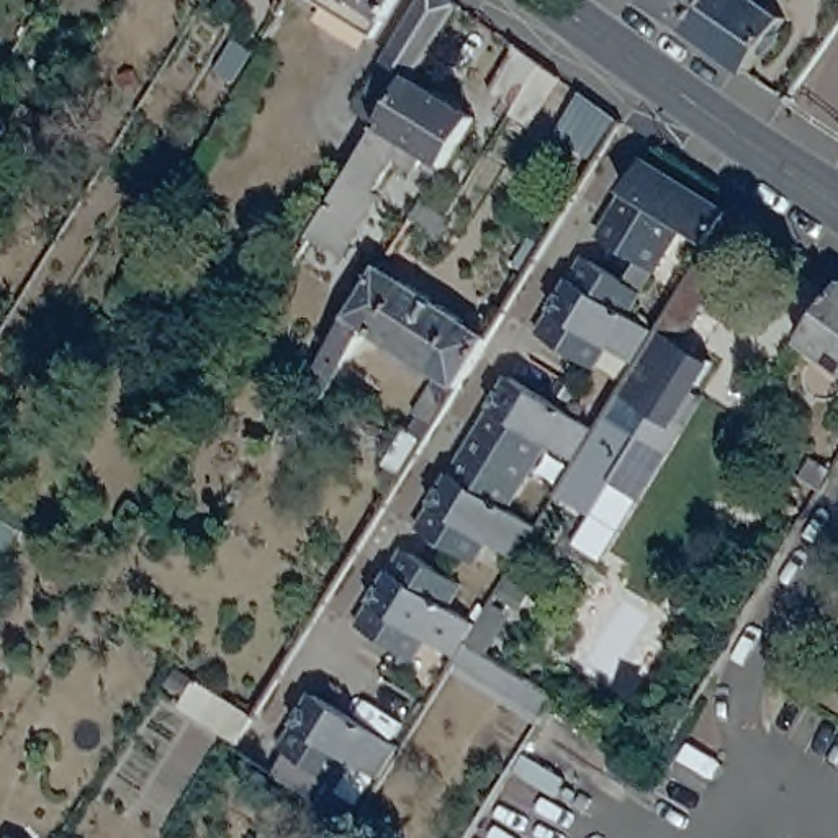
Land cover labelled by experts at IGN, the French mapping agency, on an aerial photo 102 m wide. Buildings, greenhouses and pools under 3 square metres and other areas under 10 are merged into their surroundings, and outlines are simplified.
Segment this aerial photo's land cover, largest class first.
<instances>
[{"label":"deciduous trees","instance_id":"1","mask_svg":"<svg viewBox=\"0 0 838 838\"><path fill-rule=\"evenodd\" d=\"M29 10L26 0H0V43L16 39V29L23 26V16ZM124 0H59V10L65 16H59V23L49 29V36L56 39L52 59L46 65L26 62L0 69V105L33 98L43 108L59 111L65 98L92 95L101 79L95 46L101 43V26L118 20ZM196 13L210 10L213 26L229 23L226 46L239 43L246 52L255 49L259 56H268L275 49V39L255 33L252 7L246 0H193ZM517 7L550 23H566L583 3V0H514ZM462 52L455 46L432 43L426 62L419 65L432 79L452 75ZM210 115V105H200L193 115L180 118L164 115V124H154L144 108L128 111L121 124L108 134V154H88L85 141L72 134L52 137V151L46 154L33 151L23 141L0 144V255L10 249L16 216L26 206H39V213L46 216L39 219V236L56 239L65 216L85 200L92 173L105 180L115 177L118 167L141 160V154L160 137H170L177 147H190ZM579 177L576 170L560 164L556 147L543 144L527 157V164L511 167L507 183H498L491 190V219H484L481 226V242L468 255V268H481L488 255L501 259V252H511L524 239L540 242L553 226L556 213L566 206L570 193L576 190ZM321 177L308 183L298 196H291L282 213H265L255 226L236 223L232 232L219 229V223H226V196L213 193L210 173L193 164V157L180 160L167 180H160L151 193H141L137 203L128 206L134 213V252L124 262L121 282L108 288L105 301L98 304L101 311H95L98 340L85 344L82 350L65 344L49 360L46 386H0V527H20L23 534L29 540V556L43 573L52 576V586L59 589L33 596V615L20 625V645L7 648L13 658H29V638L36 635V629H56L59 612L65 606L82 612L98 596L105 566L115 553L141 547L151 560H164L167 553H187L193 573L213 563L216 543L226 540V520H203L206 501L203 491H193L190 462L196 458L200 445H206L226 426L242 383H255L265 435H282V458L268 491V504L272 511H288L308 530V540H301V547L318 560L331 563L344 543L337 537L334 520L321 514V491L327 484H344L347 491H360V448L354 429H373L376 448L386 452L393 448V439L403 432V429L383 416L390 406L383 403L380 390H370V396H334L331 390L311 380L295 373L288 363H275L268 357V347L278 334H288L298 344H311L314 334L318 324L298 318L291 331H285L278 321L288 308V295L298 278L295 268L301 236L308 223L318 216V210L327 203V193L340 180V170L334 160L321 154L311 164ZM108 370L121 373L118 442L141 475L137 488L121 494H108L105 484L95 478L92 465L85 462L95 448V432L101 426ZM465 193L458 187L455 170L448 167L435 173H419L416 193H409L399 206H383L380 242L386 249L390 242H396L399 223L406 219L416 206H429L439 213L442 232L435 239L422 226H409V249L422 252L432 262H442L452 242L468 232L471 213L458 210V200ZM701 272H720V285L714 291H704V304L697 314L717 318L733 334V344H756L759 334L776 318H786L789 304L795 301L799 282L776 268L766 239L750 242L746 232H740L717 246L701 252L697 265ZM799 367V360L792 347H776V354L766 357V363H753L740 373L733 370L730 383L743 396L740 403L753 412V426L743 429L740 445L730 455H720V481L723 498L753 511L756 520L766 524V534L753 537L750 547H737L727 534L694 527L678 530L671 540L681 543L687 560L681 563L678 576L658 573L665 602L668 619L684 615L687 622L684 632L671 642L661 638V648L645 674L648 691L622 697L609 707H592L589 691L602 674H586L576 665V645L583 638L579 606L586 599V589L583 573L573 566V556L566 550H556L553 540L543 537L534 550H507V556H498V563L494 573L504 579V586L517 589L520 596H530V609H524L517 622L504 629V642L498 648L504 655L501 668L543 691L553 714H560L563 720L576 727V740L583 746L592 740L602 746L609 773L619 782L642 789H655L665 779L668 763L691 743L701 714L707 710L704 704H691L687 697L697 691L710 661L730 648V635L743 602L763 579L782 537L795 527L786 514V494H792L802 465V455H815L809 406L799 390L789 386V373ZM802 586H812V596L818 602L809 609V619L802 625L773 635L769 661L756 678V687L763 694L766 687H769V691H779V694H782V704H786V707H795L802 717H809L818 704H828L838 714V540L809 553V566L795 576ZM23 583L16 547H0V609L16 606ZM318 579L301 576V583L291 586L275 583L272 599L278 625L301 629L314 615L321 599L314 596ZM92 622L98 638L72 632L65 645H59L49 658V665L65 678L75 651L105 661L111 645L131 642L134 648H151L154 655L157 648H164V655L183 668H200L210 658L206 651L187 655L190 645H196V612L177 606L157 583L147 596L134 592L128 599L124 615L95 609ZM255 629L252 615L239 612V602H219L216 635L226 648L219 658L226 665L232 651H239L252 638ZM383 687L403 697H419L426 694V687L419 684L412 665L393 661V668L383 678ZM501 769L498 763H465L462 782H455L445 792L442 805L432 812L429 828L435 838H462L465 825L484 802L481 789H494ZM239 802L252 809L285 805L291 789L275 779V769L236 773Z\"/></svg>","mask_w":838,"mask_h":838},{"label":"herbaceous vegetation","instance_id":"2","mask_svg":"<svg viewBox=\"0 0 838 838\"><path fill-rule=\"evenodd\" d=\"M229 23L213 26L210 10L196 13L193 0H124L118 20L101 26V43L95 46L101 79L92 95L65 98L59 111L43 108L33 98L0 105V144L23 141L33 151L46 154L52 151V137L72 134L85 141L88 154H108V134L121 124L128 111L144 108L154 124H164V115L180 118L193 115L200 105H210V115L190 147H177L170 137H160L141 154V160L118 167L115 177L105 180L92 173L85 200L65 216L56 239L39 236V219L46 216L39 213V206H26L16 216L10 249L0 255V386H46L49 360L65 344L82 350L85 344L98 340L95 311H101L98 304L105 301L108 288L121 282L124 262L134 252V213L128 206L137 203L141 193H151L160 180H167L180 160L193 157L200 144L210 137L213 124L223 118L226 105L232 101L236 82L213 75V62L223 56L226 46ZM252 7L255 33L275 39V49L282 56V69L275 75V85L265 92V111L252 118L246 151L239 157H216L210 173L213 193L226 196V223H219V229L232 232L236 223L255 226L265 213H282L291 196H298L308 183L321 177L311 164L321 154V147L301 128L298 101L308 92H314V85L331 82V75L340 72V62L357 46L337 43L327 33H321L314 26L318 13L314 7H298L295 0H246ZM406 82H416L419 88L448 101L465 118L471 105L462 95L458 79L452 75L432 79L419 65L409 72ZM543 144L556 147L560 164L576 170L579 177L586 173L592 157H573V144L566 134H560V124L547 111H540L524 131L514 134L504 157L484 154L475 167H465L462 154L455 151L448 157V167L455 170L458 187L465 193L458 200V210L471 213L468 232L452 242L442 262H432L422 252L409 249V226L406 219L399 223L396 242H390L386 249L380 268L416 288L426 301L455 314L468 301L484 304L504 282L507 268L520 272L530 265L540 242L524 239L511 252H501V259L488 255L481 268H468V255L481 242V226L484 219H491V190L498 183H507L511 167L527 164V157ZM298 278L288 295V308L278 321L285 331H291L298 318L318 324L331 298V288L324 285L321 272H314V265L295 268ZM327 340L314 334L311 344H298L288 334H278L268 347V357L275 363H288L295 373L311 380L314 360ZM419 386V376L409 373L386 350H380L373 340L354 363L344 367L331 390L334 396H370V390H380L383 403L390 406L383 416L403 429L412 419L403 409L409 406L412 390ZM612 399V383L596 367H583L579 373L566 376L553 399L543 403L547 409L579 426H596L606 403ZM121 373L108 370L101 426L95 432V448L85 462L92 465L95 478L105 484L108 494H121L137 488L141 475L118 442ZM360 448V491H347L344 484H327L321 491V514L334 520L337 537L344 543L331 563L318 560L301 547V540H308V530L288 511H272L268 504V491L282 458V435H265L255 383H242L226 426L206 445H200L196 458L190 462L193 491H203L206 501L203 520H226V540L216 543L213 563L193 573L187 553H167L164 560H151L141 547L115 553L105 566L98 596L82 612L65 606L59 612L56 629H36V635L29 638V658H13L7 648L20 645V625L33 615V596L59 589L52 586V576L43 573L29 556V540L23 534L10 547H16L23 583L16 606L0 609V838H49L65 809L75 802L79 789L88 786L101 753L111 746V717L124 704L141 697L154 671V655L151 648H134L131 642L111 645L105 661L75 651L65 678L49 665V658L59 645H65L72 632L98 638L92 622L95 609L124 615L128 599L134 592L147 596L157 583L177 606L196 612V645H190L187 655L206 651L210 658H219L226 648L216 635L219 602H239V612L252 615L255 629L252 638L239 651H232L226 665L229 691L223 697L226 704L246 714L255 710L259 697L278 674L301 629L278 625L272 599L275 583L291 586L301 583V576L318 579L314 596L321 599L393 484V471L383 468L386 452L376 448L373 429H354ZM29 730L59 733L62 756L49 759V773L52 786L65 789L62 799H46L39 792V773L33 769L29 782H20V756L26 753ZM815 455H802V465L838 462V403L828 396V403L809 406ZM753 426V412L740 403L723 406L717 416L697 406L678 445L671 448L665 468L658 471V481L648 488L645 501L635 504L632 517L622 524L612 547L625 563L622 579L629 583V589L645 596L648 602H665L658 573L678 576L681 563L687 560L681 543L671 540L678 530L694 527L727 534L737 547H750L753 537L766 534V524L756 520L753 511L723 498L720 481V455H730L740 445L743 429ZM553 484L540 481L534 468L517 481L514 504L507 514L527 524V534L543 530V537L553 540L556 550H566L573 556V566L583 573L586 589L599 576H606V563L596 560L573 550V537L583 527V517L563 514V507L553 501ZM498 563H478L475 556L458 563V583L448 596L455 599L448 612L458 619L468 615L465 599L481 596L494 573ZM524 609H530V596H520L517 602L504 606V615L491 635L494 648H488L484 655L491 665L501 668L504 655L498 648L504 642V629L517 622ZM530 723L517 720L507 707L488 701L484 694L465 687L448 671L439 678V687L419 707V717L409 733L412 746L393 756V763L406 769L393 782V789L386 795L367 789L360 792L354 799L350 815L354 825H370L373 838H435L429 828L432 812L442 805L445 792L455 782H462L465 763H498L501 769L517 756V750L527 740ZM786 707V704H782V694H779V691H769V687H766L763 694V697H759L763 730H773V723H776L779 710ZM540 753L563 763L566 782H596L615 799H638L642 789L619 782L609 773L602 746L592 740L583 746L576 740V727L563 720L556 727V737ZM190 838H327L314 828V818L308 812L285 805L252 809L239 802L236 773H232L229 779H223V795L193 809ZM164 822L151 815V825H141V818L128 809L115 812L111 805H105V786L79 822L82 838H160Z\"/></svg>","mask_w":838,"mask_h":838},{"label":"impervious surface","instance_id":"3","mask_svg":"<svg viewBox=\"0 0 838 838\"><path fill-rule=\"evenodd\" d=\"M452 3V16L432 43L455 46L462 52L452 75L458 79L462 95L471 105L465 118L468 131L475 137H484L494 118L491 111L498 98L491 85L504 69L511 49L527 56L534 65H540L560 82L540 111H547L560 124L576 95L596 105L602 115L615 118V124L606 131L592 157L586 173L579 177L576 190L570 193L566 206L556 213L553 226L540 242L530 265L520 272L517 285L511 288L507 301L501 304V311L481 337L491 350L484 363L465 380L462 393L452 386L445 390V399L422 435L403 432L393 439V448L386 452L383 468L393 471V484L321 599L314 615L301 629L278 674L259 697L255 710L246 714L252 730L236 743L229 750L232 773H236L275 769L265 750L275 746V727L285 714V704L295 707L298 694L321 697L340 717L350 714L357 704L380 707L399 727L393 737V756L412 746L409 733L419 717V707L439 687V678L448 671V655H439V648L432 645L416 648L412 665L419 684L426 687V694L419 697H403L383 687V678L376 671V648L367 635L357 632L350 615L357 592L363 586V563L373 560L383 547H390L396 537L412 534V504L422 484L432 488L439 475L452 468L445 448L462 432L481 390L488 393L494 380L511 376L543 403L553 399L566 376L579 373L583 367L563 363L560 354H553L534 334L530 321L537 301L543 291H553L560 278L573 272L563 262V255H570L579 242H592V213L599 210L615 173L629 170L635 160H655L651 147H665L691 167H710L707 177L717 180V190H701L714 206L710 213L697 216V223H707L710 239L717 246L740 232H746L750 242L766 239L776 268L799 282L795 301L789 304L786 318H776L759 334L756 344H733V334L717 318L697 314L694 331H678L671 337V344L684 357L701 360V370L687 386V396L697 399V406L717 416L723 406L740 403L743 396L730 383L733 370L740 373L753 363H766V357L776 354V347H792L812 301L838 282V0H756L773 16H779V10L789 13V26H779L776 46H769L763 56L746 49L737 69H730L723 59L707 56L697 46L681 49L684 39L651 10L642 13L625 7L619 20H609L589 3H583L566 23H550L517 7L514 0H445ZM815 23L828 29L825 39L789 82V92H773L792 49L805 36H812ZM314 26L321 33H327L337 43L357 46L340 62V72L331 75V82L314 85V92H308L298 101L301 128L321 147V154L334 160L340 170L347 167L367 128L373 124V108L386 95L393 79L386 65L370 62L376 43H360L357 29L337 23L327 13H318ZM386 249L380 242L363 239L344 275L321 272L324 285L331 288V298L318 324L314 334L327 340L363 268H380ZM701 252H678V265L658 291V298L651 301V308L632 311L629 304H619L612 298L599 301V308H606L609 314L648 331L658 324L668 301L697 265ZM789 386L799 390L809 406L828 403V396L838 403V370L818 367L812 357L799 360V367L789 373ZM786 514L795 527L782 537L763 579L743 602L730 635V648L710 661L697 691L687 697L691 704H704L707 710L701 714L691 743L668 763L665 779L655 789H642L638 799H615L596 782H566L563 763L540 753L534 740H527L517 750V756L501 769L494 789H481L484 802L465 825L462 838H838V714L828 704H818L809 717H802L795 707H786L779 710L776 723H773V730H763L759 697H763V694L756 687V678L769 661L773 635L802 625L809 619V609L818 602L812 596V586H802L795 576L809 566V553L838 540V462L802 465L792 494H786ZM596 560L606 563V576H599L586 589V599L579 606L583 638L576 645V665L586 674H602L589 691L592 707H609L622 697L648 691L645 674L661 648V638L671 642L684 632L687 622L684 615L668 619L665 602H648L645 596L629 589V583L622 579L625 563L612 547H606ZM347 773L337 759H331V766L318 776L311 789H291L285 805L308 812L314 818V828L327 838H373L370 825H354L350 815L354 799L360 792L357 789L350 799L340 795Z\"/></svg>","mask_w":838,"mask_h":838},{"label":"building","instance_id":"4","mask_svg":"<svg viewBox=\"0 0 838 838\"><path fill-rule=\"evenodd\" d=\"M298 7H314L318 13H327L337 23L357 29L360 43H376L370 62L386 65L393 79L386 95L373 108V124L367 128L347 167L340 170V180L327 193V203L318 210V216L308 223L301 236L295 268L314 265V272H321L344 275L363 239L380 242L383 206H399L409 193H416L419 173H435L448 167V157L455 151L468 131L465 118L448 101L419 88L416 82H406L409 72L419 65L426 62L432 43L452 16V3L445 0H295ZM583 3H589L609 20H619L625 7L642 13L651 10L684 39L681 49L697 46L707 56L723 59L730 69H737L746 49L763 56L769 46H776L779 26H789V13L779 10V16H773L756 0H583ZM246 52L239 43L226 46L223 56L213 62V75L236 82ZM560 82L540 65H534L527 56L511 49L504 69L491 85L498 98L491 111L494 118L507 115L514 134L524 131L540 111ZM615 124V118L602 115L596 105L576 95L560 124V134H566L573 144V157H592L606 131ZM714 206L701 190L687 187L684 177L655 160H635L629 170L615 173L599 210L592 213V242H579L570 255H563V262L573 272L560 278L553 291H543L537 301L530 321L534 334L553 354H560L563 363L583 367H596L612 383V399L606 403L596 426H579L547 409L543 403L511 376L494 380L488 393L481 390L462 432L445 448L452 468L439 475L432 488L422 484L412 504V534L396 537L390 547H383L373 560L363 563V586L357 592L350 615L357 632L367 635L376 648V671L383 678L393 668V661L412 665L416 648L432 645L439 648V655H448V671L465 687L484 694L488 701L507 707L517 720L530 723L527 740H534L540 753L556 737V727L563 720L560 714H553L543 691L501 668L491 665L484 655L488 648H494L491 635L504 615V606L517 602L520 596L517 589L504 586V579L494 573L481 596L465 599L468 615L458 619L448 612L455 599L448 596L458 583V563L475 556L478 563H498V556H507V550H534L543 537V530L527 534V524L507 514L514 504L517 481L534 468L540 481L553 484V501L563 507V514L583 517V527L573 537V550L596 560L606 547H612L622 524L632 517L635 504L645 501L648 488L658 481V471L665 468L671 448L678 445L697 406V399L687 396V386L701 370V360L684 357L671 344V337L678 331H694L697 314L704 304V291H714L720 285V272H701L697 265L668 301L658 324L648 331L609 314L606 308H599V301L612 298L619 304H629L632 311L651 308V301L658 298V291L678 265V252H701L717 246L710 239L707 223H697V216L710 213ZM409 226H422L435 239L442 232L439 213L429 206H416L406 219ZM373 340L380 350H386L409 373L419 376V386L412 390L409 406L403 409L412 419L403 429V432L422 435L445 399V390L452 386L462 393L465 380L484 363L491 350L481 337H475L455 314L426 301L416 288L380 268H363L327 340L314 360L311 380L331 390L344 367L354 363ZM799 360L812 357L818 367L838 370V282L812 301L792 347ZM23 534L20 527H0V547H10ZM167 694H173L177 701V714L190 717L200 730L213 733L216 740L236 743L252 730L246 714L226 704L223 697H216L203 684L183 687L180 681H167ZM399 727L380 707L357 704L350 714L340 717L321 697L298 694L295 707L285 704V714L275 727V746L265 750L275 769V779L291 789H311L318 776L331 766V759H337L347 773L340 795L350 799L357 789L360 792L367 789L386 795L393 789V782L406 769L393 763V737Z\"/></svg>","mask_w":838,"mask_h":838},{"label":"brushwood","instance_id":"5","mask_svg":"<svg viewBox=\"0 0 838 838\"><path fill-rule=\"evenodd\" d=\"M29 10L23 16V26L16 29V39L0 43V69L26 62L46 65L52 59L56 39L49 36V29L59 23V16H65L59 10V0H26ZM828 29L815 23L812 36H805L792 49L773 92H789V82L825 39ZM282 69V56L275 49L268 56H259L255 49L246 52L236 82L232 101L226 105L223 118L213 124L210 137L200 144L193 157V164L210 173L216 157H239L246 151L252 118L265 111V92L275 85V75ZM514 134L507 115L494 118L484 137H475L468 131L455 151L462 154L465 167H475L484 154L504 157ZM655 160L684 177L687 187L701 190H717V180L707 177L710 167H691L665 147H651ZM520 272L507 268L504 282L484 304L468 301L455 314L475 337H481L501 311V304L507 301L511 288L517 285ZM167 681H180L183 687L203 684L216 697H223L229 691L226 665L219 658H210L200 668H183L164 655V648H157L154 655V671L141 697L124 704L111 717V746L101 753L88 786L79 789L75 802L65 809L49 838H82L79 822L105 786L124 746L144 750L147 740L137 737L141 717L157 701H177L173 694H167ZM62 756L59 733L29 730L26 753L20 756V782H29L33 769L39 773V792L46 799H62L65 789L52 786L49 773V759ZM236 743L216 740L210 743V753L200 759L196 773L190 776L164 822L160 838H190L193 809L223 795V779H229L232 773L229 750Z\"/></svg>","mask_w":838,"mask_h":838},{"label":"agricultural land","instance_id":"6","mask_svg":"<svg viewBox=\"0 0 838 838\"><path fill-rule=\"evenodd\" d=\"M137 737L147 740L144 750L124 746L105 786V805H111L115 812L128 809L141 818V825H151V815L164 822L190 776L196 773L200 759L210 753V743L216 740L213 733L200 730L190 717L177 714V701H157L141 717Z\"/></svg>","mask_w":838,"mask_h":838}]
</instances>
